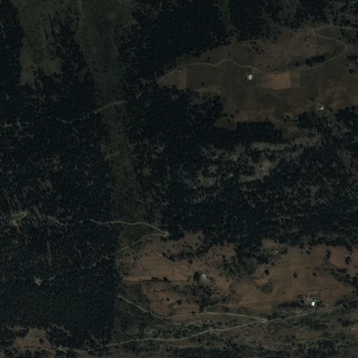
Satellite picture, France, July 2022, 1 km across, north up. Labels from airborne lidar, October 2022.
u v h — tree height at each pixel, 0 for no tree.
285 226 12
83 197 18
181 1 15
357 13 11
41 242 17
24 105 9
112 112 0
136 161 7
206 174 17
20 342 0
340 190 14
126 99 8
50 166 8
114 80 0
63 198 16
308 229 12
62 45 17
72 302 20
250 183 13
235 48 0
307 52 0
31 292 15
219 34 9
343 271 12
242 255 21
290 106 0
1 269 10
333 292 0
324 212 13
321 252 0
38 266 13
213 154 13
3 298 17
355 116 20
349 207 14
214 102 13
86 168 15
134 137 12
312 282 0
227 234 13
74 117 14
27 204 19
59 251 14
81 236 12
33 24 0
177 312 0
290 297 0
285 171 24
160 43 16
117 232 6
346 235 9
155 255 0
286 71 0
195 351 8
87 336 19
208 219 19
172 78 0
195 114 16
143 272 0
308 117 19
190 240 0
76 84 12
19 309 14
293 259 0
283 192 14
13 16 11
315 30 0
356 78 0
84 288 15
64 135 7
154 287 0
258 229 13
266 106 0
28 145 21
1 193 16
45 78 12
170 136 18
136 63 8
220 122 0
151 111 17
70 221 13
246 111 0
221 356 12
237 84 0
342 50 0
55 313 17
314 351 7
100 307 17
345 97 0
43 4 0
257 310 0
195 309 0
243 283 0
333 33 0
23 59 0
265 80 0
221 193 9
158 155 10
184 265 0
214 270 0
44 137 18
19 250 15
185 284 0
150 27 14
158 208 10
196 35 12
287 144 10
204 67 0
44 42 0
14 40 13
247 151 14
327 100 0
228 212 19
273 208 16
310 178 16
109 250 13
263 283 0
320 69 0
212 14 13
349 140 14
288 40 0
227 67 0
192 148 18
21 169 16
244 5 12
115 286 8
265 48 0
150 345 6
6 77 14
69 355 15
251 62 0
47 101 15
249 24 12
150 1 9
